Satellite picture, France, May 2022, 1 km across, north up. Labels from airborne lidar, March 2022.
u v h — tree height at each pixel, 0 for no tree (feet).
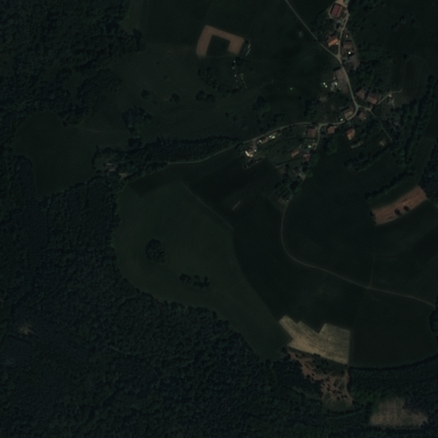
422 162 0
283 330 0
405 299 0
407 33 0
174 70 0
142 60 0
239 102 0
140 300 76
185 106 0
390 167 0
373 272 0
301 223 0
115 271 69
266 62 0
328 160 0
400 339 0
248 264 0
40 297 89
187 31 0
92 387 53
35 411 75
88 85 49
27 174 62
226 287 0
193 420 63
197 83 0
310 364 0
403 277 0
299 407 67
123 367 89
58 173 0
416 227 0
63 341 83
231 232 0
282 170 0
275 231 0
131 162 41
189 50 0
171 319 57
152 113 0
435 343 0
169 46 0
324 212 0
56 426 84
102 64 82
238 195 0
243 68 27
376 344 0
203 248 0
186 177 0
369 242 0
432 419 84
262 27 0
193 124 0
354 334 0
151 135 0
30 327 80
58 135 0
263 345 0
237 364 36
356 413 20
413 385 73
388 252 0
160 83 0
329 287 0
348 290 0
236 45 0
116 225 52
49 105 31
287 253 0
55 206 28
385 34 0
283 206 0
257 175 0
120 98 0
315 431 96
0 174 35
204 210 0
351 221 0
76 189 32
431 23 0
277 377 32
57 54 74
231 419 42
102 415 113
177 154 58
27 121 0
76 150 0
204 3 0
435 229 0
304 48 0
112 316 72
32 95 57
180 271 0
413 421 0
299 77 0
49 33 94
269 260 0
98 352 83
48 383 72
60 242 79
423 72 0
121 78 0
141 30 0
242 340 45
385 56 0
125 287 64
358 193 0
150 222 0
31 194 63
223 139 40
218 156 0
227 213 0
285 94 0
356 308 0
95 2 45
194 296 0
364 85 30
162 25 0
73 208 38
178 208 0
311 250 0
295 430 92
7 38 107
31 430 52
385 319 0
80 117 89
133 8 0
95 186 40
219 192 0
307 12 0
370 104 33
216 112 0
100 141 0
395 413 0
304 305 0
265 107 80
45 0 99
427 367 54
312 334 0
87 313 100
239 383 80
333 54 0
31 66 76
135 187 0
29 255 61
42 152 0
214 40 0
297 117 0
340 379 0
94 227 45
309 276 0
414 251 0
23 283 33
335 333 0
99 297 65
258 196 0
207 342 98
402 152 56
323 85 0
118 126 0
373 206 0
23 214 54
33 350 65
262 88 0
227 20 0
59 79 66
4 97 52
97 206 38
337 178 0
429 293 0
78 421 122
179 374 110
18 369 81
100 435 63
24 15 83
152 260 60
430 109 36
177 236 0
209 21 0
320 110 25
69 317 93
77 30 65
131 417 97
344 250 0
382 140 0
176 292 0
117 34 103
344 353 0
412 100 0
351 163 45
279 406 67
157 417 89
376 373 50
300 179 33
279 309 0
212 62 0
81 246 50
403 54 0
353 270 0
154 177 0
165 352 102
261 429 98
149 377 71
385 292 0
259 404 37
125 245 0
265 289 0
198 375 47
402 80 0
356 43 0
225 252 0
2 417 46
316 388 31
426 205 0
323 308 0
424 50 0
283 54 0
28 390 77
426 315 0
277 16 0
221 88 53
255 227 0
